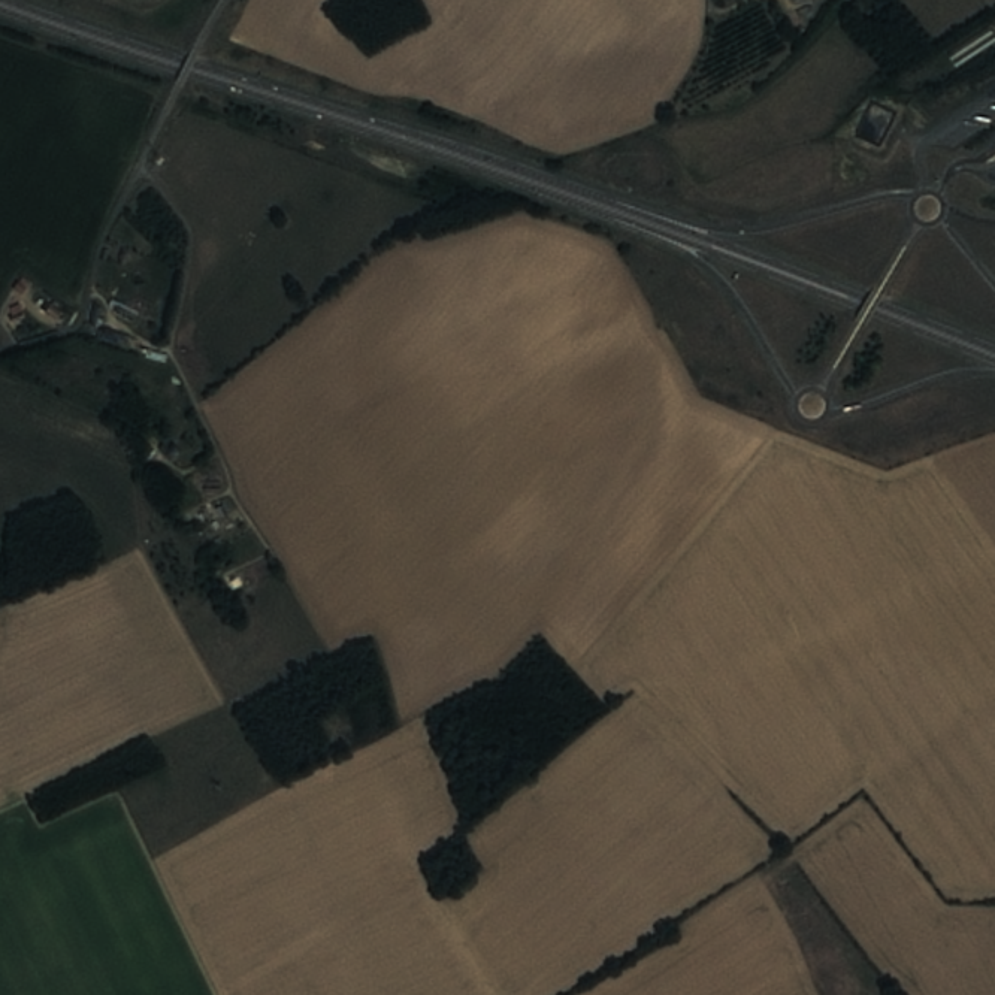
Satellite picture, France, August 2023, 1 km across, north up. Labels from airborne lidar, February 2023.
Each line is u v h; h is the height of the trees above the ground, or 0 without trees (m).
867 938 0
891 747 0
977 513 0
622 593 0
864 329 0
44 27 0
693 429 0
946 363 0
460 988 0
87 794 6
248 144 0
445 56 0
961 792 0
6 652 0
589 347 0
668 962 0
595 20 0
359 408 0
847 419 0
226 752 0
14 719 0
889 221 0
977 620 0
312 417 0
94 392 0
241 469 0
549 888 0
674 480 0
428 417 0
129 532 0
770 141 0
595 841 0
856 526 0
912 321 0
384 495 0
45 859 0
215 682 0
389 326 0
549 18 0
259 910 0
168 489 11
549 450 0
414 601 0
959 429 0
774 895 0
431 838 0
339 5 13
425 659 0
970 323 0
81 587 0
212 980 0
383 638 0
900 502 0
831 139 0
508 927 0
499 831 0
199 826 0
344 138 0
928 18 0
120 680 0
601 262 0
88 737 0
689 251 0
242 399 0
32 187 0
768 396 0
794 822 0
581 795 0
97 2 0
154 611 0
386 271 0
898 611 0
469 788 16
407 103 0
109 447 0
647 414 0
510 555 0
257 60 0
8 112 0
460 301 0
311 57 0
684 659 0
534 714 7
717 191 0
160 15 0
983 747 0
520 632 0
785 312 0
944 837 0
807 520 0
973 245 0
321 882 0
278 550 0
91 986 0
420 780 0
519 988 0
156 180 0
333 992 0
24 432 0
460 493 0
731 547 0
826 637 0
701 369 0
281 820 0
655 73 0
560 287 0
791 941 0
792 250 0
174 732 0
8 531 11
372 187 0
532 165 0
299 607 0
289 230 0
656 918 0
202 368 0
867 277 0
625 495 0
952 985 0
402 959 0
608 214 0
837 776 0
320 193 0
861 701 0
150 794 0
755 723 0
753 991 0
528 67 0
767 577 0
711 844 0
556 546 0
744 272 0
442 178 6
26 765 0
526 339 0
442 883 18
